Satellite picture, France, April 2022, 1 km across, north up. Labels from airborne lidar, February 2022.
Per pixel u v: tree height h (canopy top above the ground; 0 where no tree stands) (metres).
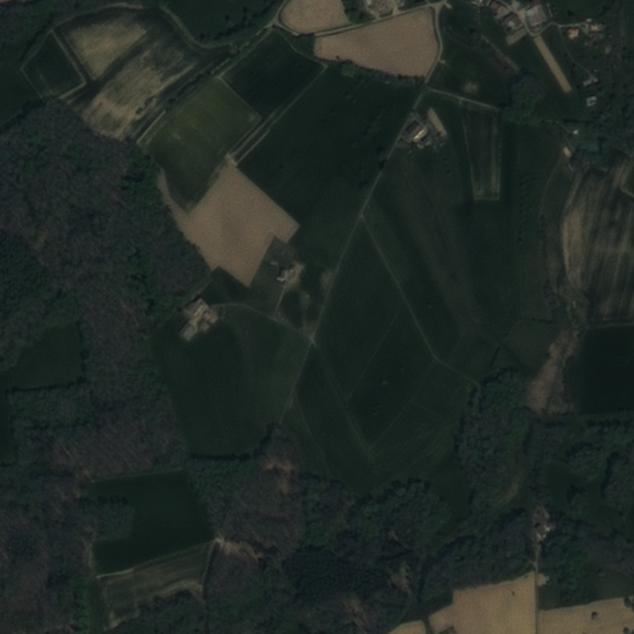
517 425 29
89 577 28
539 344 0
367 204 0
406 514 28
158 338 0
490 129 0
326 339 0
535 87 30
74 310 30
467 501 0
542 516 0
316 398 0
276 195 0
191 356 0
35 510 27
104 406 24
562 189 0
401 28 0
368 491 0
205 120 0
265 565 17
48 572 29
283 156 0
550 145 0
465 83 0
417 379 0
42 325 21
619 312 0
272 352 0
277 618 25
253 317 0
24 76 0
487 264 0
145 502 0
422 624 0
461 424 0
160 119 0
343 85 0
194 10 0
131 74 0
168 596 0
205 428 0
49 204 23
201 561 0
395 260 0
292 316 0
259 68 0
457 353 0
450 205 0
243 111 0
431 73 0
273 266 0
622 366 0
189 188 0
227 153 0
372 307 0
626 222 0
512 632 0
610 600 0
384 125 0
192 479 22
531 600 0
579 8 0
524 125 18
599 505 0
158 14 0
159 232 32
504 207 0
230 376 0
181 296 28
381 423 0
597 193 0
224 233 0
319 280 0
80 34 0
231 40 11
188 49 0
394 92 0
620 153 0
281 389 0
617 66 7
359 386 0
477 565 33
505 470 26
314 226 0
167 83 0
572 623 0
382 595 26
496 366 7
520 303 0
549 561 20
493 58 0
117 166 25
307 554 25
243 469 24
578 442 0
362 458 0
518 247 0
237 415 0
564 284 0
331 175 0
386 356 0
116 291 33
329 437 0
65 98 0
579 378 0
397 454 0
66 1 30
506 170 0
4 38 22
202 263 27
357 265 0
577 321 0
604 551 32
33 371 0
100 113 0
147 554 0
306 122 0
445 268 0
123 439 0
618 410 0
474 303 0
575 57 0
